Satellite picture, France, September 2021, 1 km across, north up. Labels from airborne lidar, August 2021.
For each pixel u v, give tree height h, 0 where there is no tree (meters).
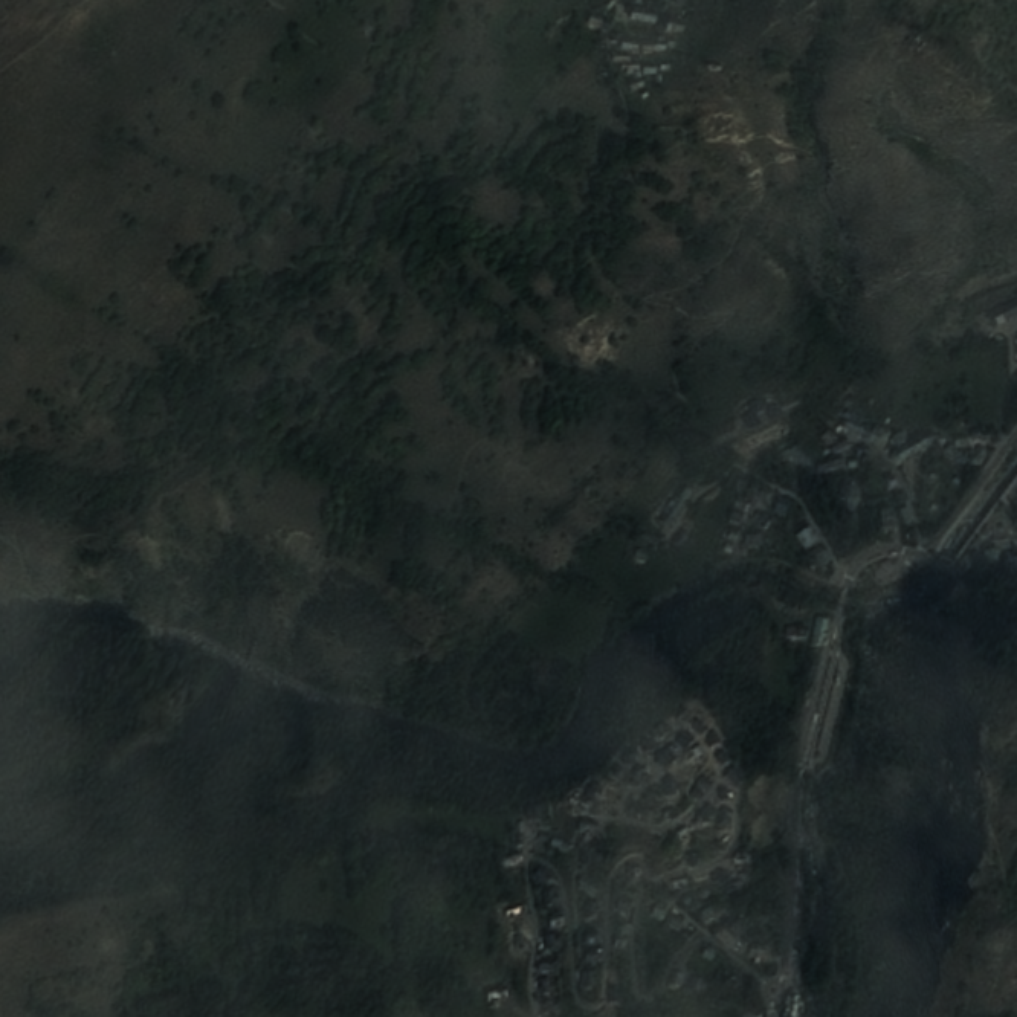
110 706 11
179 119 0
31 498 13
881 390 0
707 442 17
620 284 6
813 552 7
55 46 0
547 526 7
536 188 15
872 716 12
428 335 0
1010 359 0
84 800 19
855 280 16
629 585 0
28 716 22
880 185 0
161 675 16
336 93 0
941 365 0
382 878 15
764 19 0
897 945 9
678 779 0
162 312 0
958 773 10
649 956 11
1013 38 6
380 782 21
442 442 0
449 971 20
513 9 0
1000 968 0
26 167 0
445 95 8
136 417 8
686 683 20
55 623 10
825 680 0
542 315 12
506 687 15
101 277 0
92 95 0
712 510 0
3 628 14
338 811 19
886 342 0
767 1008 0
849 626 13
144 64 0
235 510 10
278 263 0
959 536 0
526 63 0
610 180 10
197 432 13
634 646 18
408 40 11
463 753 27
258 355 13
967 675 13
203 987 13
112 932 0
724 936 0
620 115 13
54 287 0
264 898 14
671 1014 16
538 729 20
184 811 17
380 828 0
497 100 0
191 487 0
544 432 9
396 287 0
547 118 9
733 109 0
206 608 10
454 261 14
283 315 10
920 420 0
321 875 0
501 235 15
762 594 0
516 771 19
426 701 26
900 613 13
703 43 0
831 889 11
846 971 17
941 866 6
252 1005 16
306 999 23
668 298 0
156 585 20
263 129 0
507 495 0
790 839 0
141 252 0
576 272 6
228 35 0
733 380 0
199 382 11
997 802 0
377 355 11
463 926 0
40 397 7
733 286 0
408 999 13
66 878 10
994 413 0
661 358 0
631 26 0
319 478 14
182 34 6
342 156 14
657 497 0
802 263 7
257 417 12
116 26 0
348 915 0
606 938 0
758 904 15
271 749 12
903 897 10
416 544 15
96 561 16
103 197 0
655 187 16
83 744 14
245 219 7
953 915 9
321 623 14
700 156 0
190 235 0
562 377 13
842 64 0
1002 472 0
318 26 0
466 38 0
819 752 0
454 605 7
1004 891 11
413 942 11
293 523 0
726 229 11
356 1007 16
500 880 10
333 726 8
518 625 0
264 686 8
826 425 7
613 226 18
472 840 16
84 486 10
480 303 20
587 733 0
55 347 0
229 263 0
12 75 0
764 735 21
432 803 16
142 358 0
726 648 14
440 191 19
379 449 12
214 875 15
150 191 6
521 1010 0
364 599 12
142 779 13
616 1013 7
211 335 8
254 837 17
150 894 0
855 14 0
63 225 0
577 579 11
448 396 9
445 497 0
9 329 0
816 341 11
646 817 0
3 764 21
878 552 0
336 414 14
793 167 0
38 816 19
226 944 15
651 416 12
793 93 12
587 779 11
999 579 19
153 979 11
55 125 0
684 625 11
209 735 15
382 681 9
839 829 16
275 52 9
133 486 15
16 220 0
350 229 15
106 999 0
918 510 11
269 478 12
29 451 10
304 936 11
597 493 6
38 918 0
